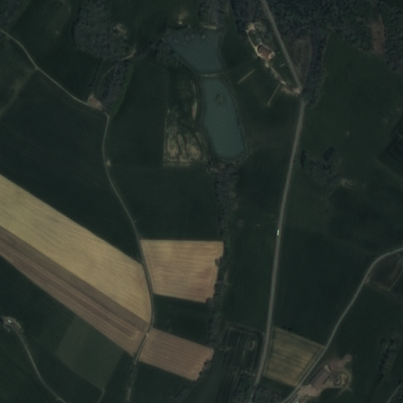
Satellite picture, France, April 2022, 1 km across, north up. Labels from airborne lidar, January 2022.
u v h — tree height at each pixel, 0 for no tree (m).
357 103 0
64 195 0
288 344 0
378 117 0
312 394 0
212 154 0
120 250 0
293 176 0
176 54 20
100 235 0
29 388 0
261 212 0
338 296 0
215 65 0
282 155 0
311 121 0
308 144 0
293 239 0
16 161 0
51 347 0
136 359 0
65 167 0
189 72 0
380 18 0
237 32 0
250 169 0
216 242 0
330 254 0
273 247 0
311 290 0
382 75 0
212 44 0
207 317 0
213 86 0
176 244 0
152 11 0
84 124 0
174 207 0
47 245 0
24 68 0
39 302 0
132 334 0
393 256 0
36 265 0
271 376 0
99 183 0
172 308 0
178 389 0
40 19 0
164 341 0
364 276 0
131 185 0
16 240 0
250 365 0
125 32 0
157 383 0
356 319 0
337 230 0
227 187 21
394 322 0
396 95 0
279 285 0
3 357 0
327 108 0
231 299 0
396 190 0
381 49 0
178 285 0
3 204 0
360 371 0
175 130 0
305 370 0
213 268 0
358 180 0
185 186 0
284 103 0
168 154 0
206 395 0
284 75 0
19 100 0
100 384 0
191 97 0
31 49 0
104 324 0
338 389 0
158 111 0
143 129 0
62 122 0
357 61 0
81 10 13
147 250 0
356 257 0
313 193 0
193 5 0
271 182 0
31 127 0
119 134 0
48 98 0
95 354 0
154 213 0
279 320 0
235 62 0
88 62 0
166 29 14
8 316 0
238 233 0
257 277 0
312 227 0
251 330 0
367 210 0
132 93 0
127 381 0
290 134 0
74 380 0
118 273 0
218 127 0
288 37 26
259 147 0
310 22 16
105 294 0
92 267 0
